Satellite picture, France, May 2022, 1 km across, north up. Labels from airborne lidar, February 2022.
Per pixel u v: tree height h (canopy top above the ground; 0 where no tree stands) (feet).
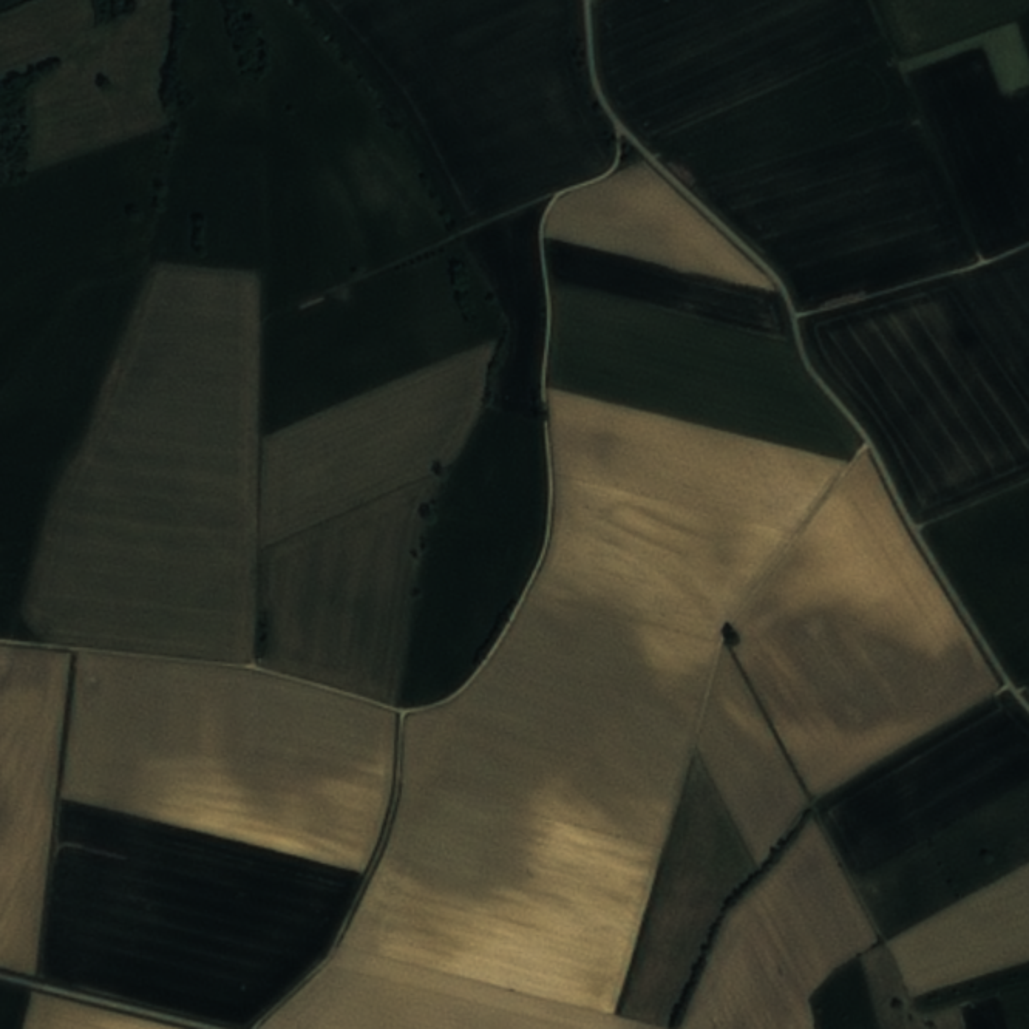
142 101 0
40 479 0
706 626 0
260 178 0
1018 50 0
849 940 0
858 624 0
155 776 0
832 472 0
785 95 0
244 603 0
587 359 0
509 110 0
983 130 0
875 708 0
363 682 0
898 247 0
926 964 0
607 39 0
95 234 0
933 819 0
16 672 0
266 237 0
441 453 0
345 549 0
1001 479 0
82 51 0
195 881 0
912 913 0
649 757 0
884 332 0
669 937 0
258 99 0
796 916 0
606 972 0
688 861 0
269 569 0
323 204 0
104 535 0
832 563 0
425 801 0
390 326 0
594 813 0
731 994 0
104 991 0
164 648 0
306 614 0
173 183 0
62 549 0
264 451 0
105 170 0
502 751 0
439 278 0
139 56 0
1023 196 0
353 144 0
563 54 0
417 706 0
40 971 0
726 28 0
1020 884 0
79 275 0
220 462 0
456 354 0
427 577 0
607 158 0
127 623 0
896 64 0
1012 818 0
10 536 0
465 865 0
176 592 0
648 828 0
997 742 0
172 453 0
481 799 0
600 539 0
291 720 0
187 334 0
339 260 0
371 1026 0
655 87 0
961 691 0
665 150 0
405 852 0
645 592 0
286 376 0
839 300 0
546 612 0
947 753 0
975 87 0
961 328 0
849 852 0
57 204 0
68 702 0
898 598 0
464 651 0
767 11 0
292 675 0
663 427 0
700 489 0
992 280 0
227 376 0
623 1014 0
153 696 0
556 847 0
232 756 0
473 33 0
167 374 0
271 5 0
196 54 0
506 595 0
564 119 0
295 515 0
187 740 0
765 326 0
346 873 0
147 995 0
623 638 0
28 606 0
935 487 0
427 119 0
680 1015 32
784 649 0
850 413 0
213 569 0
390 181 0
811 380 0
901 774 0
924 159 0
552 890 0
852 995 0
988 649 0
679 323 0
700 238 0
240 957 0
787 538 0
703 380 0
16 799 0
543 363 0
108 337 0
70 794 0
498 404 0
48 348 0
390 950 0
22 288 0
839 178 0
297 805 0
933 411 0
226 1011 0
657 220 0
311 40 0
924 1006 0
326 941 0
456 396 0
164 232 0
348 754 0
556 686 0
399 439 0
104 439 0
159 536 0
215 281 0
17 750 0
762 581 0
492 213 0
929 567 0
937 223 0
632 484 0
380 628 0
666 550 0
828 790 0
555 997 0
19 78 41
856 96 0
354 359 0
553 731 0
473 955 0
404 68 0
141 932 0
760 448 0
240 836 0
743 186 0
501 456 0
